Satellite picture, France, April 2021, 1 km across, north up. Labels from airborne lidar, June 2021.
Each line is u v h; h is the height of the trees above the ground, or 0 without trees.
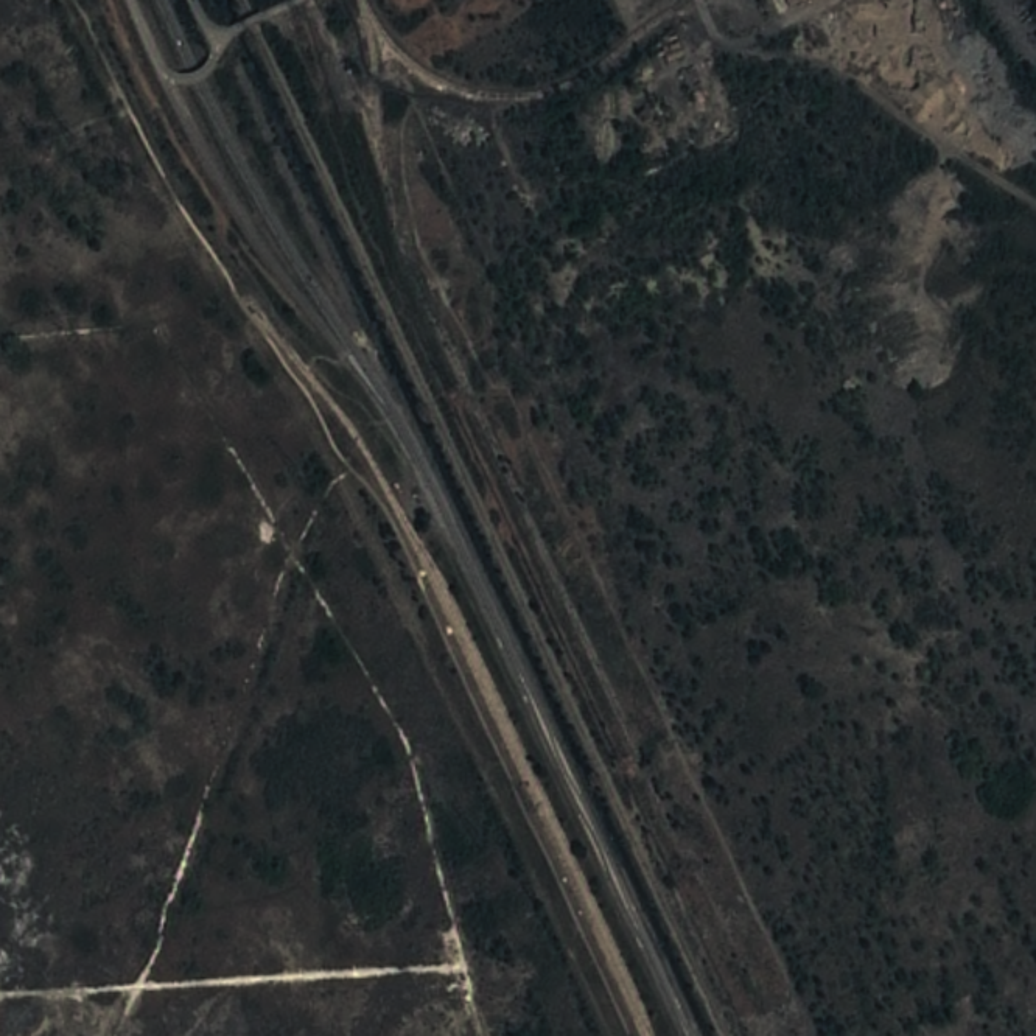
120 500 0
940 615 6
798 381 0
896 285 0
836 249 0
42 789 0
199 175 0
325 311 0
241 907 0
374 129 0
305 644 0
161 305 0
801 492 12
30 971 0
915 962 0
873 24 0
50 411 0
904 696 0
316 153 0
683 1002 0
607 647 0
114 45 10
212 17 0
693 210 8
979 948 8
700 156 16
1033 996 0
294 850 0
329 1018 0
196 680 0
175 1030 0
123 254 0
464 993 0
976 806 0
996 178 0
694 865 0
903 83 0
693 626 15
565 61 10
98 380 0
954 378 0
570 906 0
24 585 0
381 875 6
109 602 0
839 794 13
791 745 0
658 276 11
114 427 0
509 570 0
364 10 0
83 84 0
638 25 0
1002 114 0
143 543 0
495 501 0
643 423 0
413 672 0
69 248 0
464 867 7
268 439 0
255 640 0
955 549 8
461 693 0
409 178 0
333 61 0
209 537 0
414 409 0
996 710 17
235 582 0
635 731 0
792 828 0
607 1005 0
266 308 0
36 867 0
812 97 7
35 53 0
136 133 0
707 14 0
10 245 0
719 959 0
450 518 0
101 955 0
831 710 9
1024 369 7
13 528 0
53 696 0
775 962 0
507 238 10
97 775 0
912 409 0
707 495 7
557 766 0
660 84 0
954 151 0
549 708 0
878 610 8
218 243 0
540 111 17
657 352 7
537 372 7
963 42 0
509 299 10
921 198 0
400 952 0
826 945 10
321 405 0
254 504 0
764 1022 0
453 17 0
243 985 0
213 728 0
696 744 6
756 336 0
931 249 0
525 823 0
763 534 10
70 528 0
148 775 0
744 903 0
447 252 0
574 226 9
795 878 12
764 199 8
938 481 10
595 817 0
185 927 0
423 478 0
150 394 0
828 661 0
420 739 0
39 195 5
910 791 0
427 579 0
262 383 7
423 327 0
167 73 0
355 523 0
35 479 0
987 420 0
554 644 11
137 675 0
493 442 0
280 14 0
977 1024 0
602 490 11
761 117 8
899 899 7
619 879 0
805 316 7
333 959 0
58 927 0
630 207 8
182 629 0
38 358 0
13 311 0
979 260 6
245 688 0
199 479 0
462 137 0
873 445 12
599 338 0
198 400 0
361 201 8
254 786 0
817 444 7
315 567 7
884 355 6
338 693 0
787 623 0
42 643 0
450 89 0
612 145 0
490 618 0
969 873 0
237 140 0
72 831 0
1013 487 0
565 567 0
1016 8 0
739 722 9
